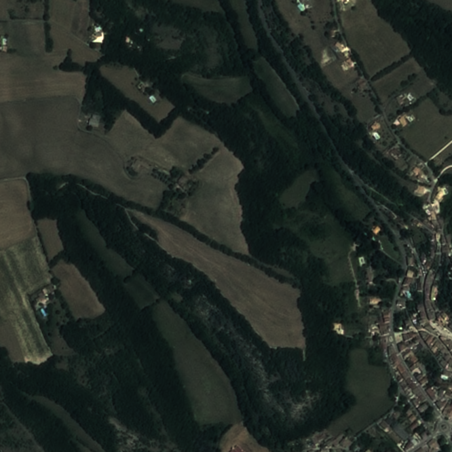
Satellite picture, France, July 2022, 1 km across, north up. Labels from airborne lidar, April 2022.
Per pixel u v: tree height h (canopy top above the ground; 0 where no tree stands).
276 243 16
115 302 16
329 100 0
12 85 0
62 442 10
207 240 10
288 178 21
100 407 9
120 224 7
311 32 0
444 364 0
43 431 7
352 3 0
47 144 0
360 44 0
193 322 9
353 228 14
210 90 0
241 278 0
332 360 19
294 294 0
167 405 13
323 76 11
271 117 0
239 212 0
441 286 6
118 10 10
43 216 11
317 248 0
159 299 7
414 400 0
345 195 0
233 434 0
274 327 0
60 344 0
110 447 12
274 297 0
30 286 0
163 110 0
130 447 0
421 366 0
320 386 8
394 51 0
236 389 16
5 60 0
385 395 0
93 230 0
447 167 0
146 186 0
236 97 0
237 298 0
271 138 13
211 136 0
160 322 0
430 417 24
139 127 0
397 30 9
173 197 8
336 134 17
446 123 0
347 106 12
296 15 0
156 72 20
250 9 9
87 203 14
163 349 13
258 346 10
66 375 6
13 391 16
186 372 0
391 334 0
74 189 10
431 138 0
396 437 0
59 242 0
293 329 0
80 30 0
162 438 7
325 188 19
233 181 0
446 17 11
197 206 0
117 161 0
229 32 8
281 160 16
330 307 12
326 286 9
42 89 0
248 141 10
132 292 0
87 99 8
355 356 0
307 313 13
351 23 0
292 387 7
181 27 8
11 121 0
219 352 6
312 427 19
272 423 14
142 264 11
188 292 11
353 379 0
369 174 9
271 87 0
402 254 0
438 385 12
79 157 0
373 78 8
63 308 9
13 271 0
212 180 0
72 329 13
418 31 19
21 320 0
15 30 0
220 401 0
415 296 8
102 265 16
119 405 9
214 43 0
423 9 12
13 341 0
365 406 0
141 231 13
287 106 0
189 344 0
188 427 11
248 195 13
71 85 0
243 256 9
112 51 9
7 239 0
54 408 0
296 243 13
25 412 12
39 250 0
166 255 7
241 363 13
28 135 0
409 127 0
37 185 17
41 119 0
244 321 9
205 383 0
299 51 7
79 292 0
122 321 13
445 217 9
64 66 13
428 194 0
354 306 0
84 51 0
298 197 0
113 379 6
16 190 0
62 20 0
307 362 7
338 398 15
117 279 19
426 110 0
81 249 21
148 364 12
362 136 8
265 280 0
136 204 7
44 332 7
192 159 0
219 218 0
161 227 0
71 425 0
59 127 0
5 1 0
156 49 8
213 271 0
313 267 11
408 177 9
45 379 15
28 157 0
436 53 13
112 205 8
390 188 13
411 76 8
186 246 0
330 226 0
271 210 14
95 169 0
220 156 0
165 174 10
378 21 0
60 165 0
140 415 12
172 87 15
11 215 0
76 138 0
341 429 0
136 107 13
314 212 0
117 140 0
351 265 0
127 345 9
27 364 6
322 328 14
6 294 0
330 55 0
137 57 12
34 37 0
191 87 17
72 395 14
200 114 10
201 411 0
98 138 0
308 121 13
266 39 14
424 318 0
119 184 0
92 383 6
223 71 14
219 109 12
